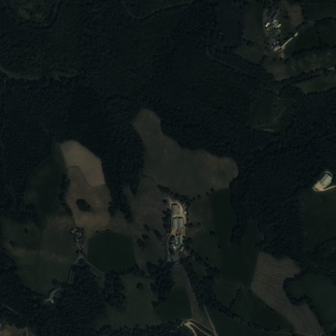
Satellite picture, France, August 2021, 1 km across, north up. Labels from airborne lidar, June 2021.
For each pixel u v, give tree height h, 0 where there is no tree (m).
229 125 25
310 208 0
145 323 0
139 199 0
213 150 20
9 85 10
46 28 13
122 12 25
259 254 0
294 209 16
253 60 0
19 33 13
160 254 0
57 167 0
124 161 29
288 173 18
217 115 20
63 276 0
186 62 23
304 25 12
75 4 27
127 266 0
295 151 28
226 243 0
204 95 10
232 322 0
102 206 0
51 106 24
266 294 0
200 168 0
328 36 0
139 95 28
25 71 8
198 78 8
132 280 0
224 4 0
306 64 0
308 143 24
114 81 24
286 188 15
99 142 17
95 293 19
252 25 0
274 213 27
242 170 23
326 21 20
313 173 20
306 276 21
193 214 0
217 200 0
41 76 0
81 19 29
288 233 19
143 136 0
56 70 9
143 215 0
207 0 9
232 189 19
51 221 0
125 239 0
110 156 12
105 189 0
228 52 18
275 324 0
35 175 0
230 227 0
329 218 0
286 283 13
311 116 24
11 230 0
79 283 14
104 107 9
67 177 13
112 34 24
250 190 30
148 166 0
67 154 0
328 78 0
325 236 0
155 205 0
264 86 17
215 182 0
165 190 12
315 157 20
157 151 0
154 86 21
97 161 0
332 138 26
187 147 17
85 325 25
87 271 22
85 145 13
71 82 20
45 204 0
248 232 0
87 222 0
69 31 23
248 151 19
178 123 26
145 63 24
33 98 20
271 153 21
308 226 0
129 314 0
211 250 0
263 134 15
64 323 22
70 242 0
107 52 25
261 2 14
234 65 17
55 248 0
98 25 26
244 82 20
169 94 21
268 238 18
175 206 0
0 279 23
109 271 0
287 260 0
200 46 23
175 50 20
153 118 0
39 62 19
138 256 0
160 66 24
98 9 20
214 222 0
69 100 25
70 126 14
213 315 0
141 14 17
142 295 0
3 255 21
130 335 12
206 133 19
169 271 18
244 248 0
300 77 15
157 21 25
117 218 0
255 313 0
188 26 19
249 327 8
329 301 0
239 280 0
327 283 0
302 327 0
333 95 21
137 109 16
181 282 0
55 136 22
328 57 0
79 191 0
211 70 6
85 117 10
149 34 25
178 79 21
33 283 0
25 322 14
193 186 0
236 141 28
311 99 18
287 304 0
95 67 18
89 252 0
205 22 23
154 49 27
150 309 0
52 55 19
